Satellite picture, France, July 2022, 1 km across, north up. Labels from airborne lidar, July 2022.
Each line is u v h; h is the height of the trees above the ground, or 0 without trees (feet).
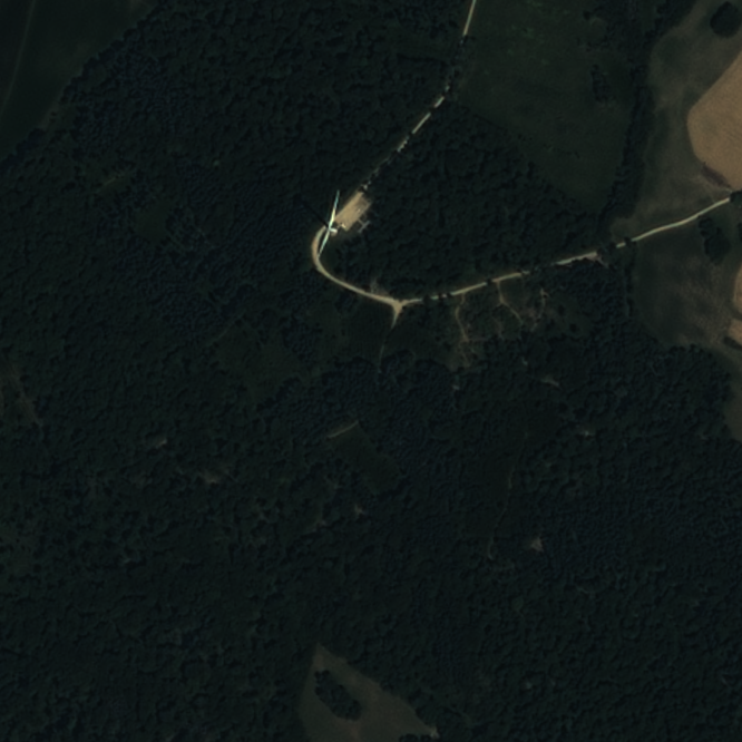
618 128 0
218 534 96
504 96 0
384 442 84
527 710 62
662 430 83
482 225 70
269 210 83
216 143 84
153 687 69
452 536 75
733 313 0
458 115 68
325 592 100
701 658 82
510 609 57
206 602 90
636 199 73
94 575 52
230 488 65
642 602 54
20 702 94
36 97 0
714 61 0
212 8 82
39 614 76
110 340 87
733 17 61
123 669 75
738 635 84
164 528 73
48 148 75
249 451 30
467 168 77
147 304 68
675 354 58
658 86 0
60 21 0
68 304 77
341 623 85
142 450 73
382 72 22
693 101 0
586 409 79
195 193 85
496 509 25
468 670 66
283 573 77
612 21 59
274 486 73
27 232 78
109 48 0
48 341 92
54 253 78
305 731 70
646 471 60
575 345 73
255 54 81
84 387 82
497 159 76
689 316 0
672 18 66
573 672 51
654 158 0
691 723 41
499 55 0
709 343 0
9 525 69
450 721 80
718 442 37
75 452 70
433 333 80
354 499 61
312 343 90
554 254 25
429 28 20
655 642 59
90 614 60
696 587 75
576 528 74
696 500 32
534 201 72
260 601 70
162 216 0
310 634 82
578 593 70
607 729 94
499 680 80
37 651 71
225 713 72
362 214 0
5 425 68
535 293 18
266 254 87
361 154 92
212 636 75
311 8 22
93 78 79
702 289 0
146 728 76
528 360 90
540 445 27
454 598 81
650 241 0
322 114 85
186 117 78
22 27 0
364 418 49
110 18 0
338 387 88
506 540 47
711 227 62
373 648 91
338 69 80
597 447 62
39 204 83
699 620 88
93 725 50
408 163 77
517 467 20
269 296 65
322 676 46
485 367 64
